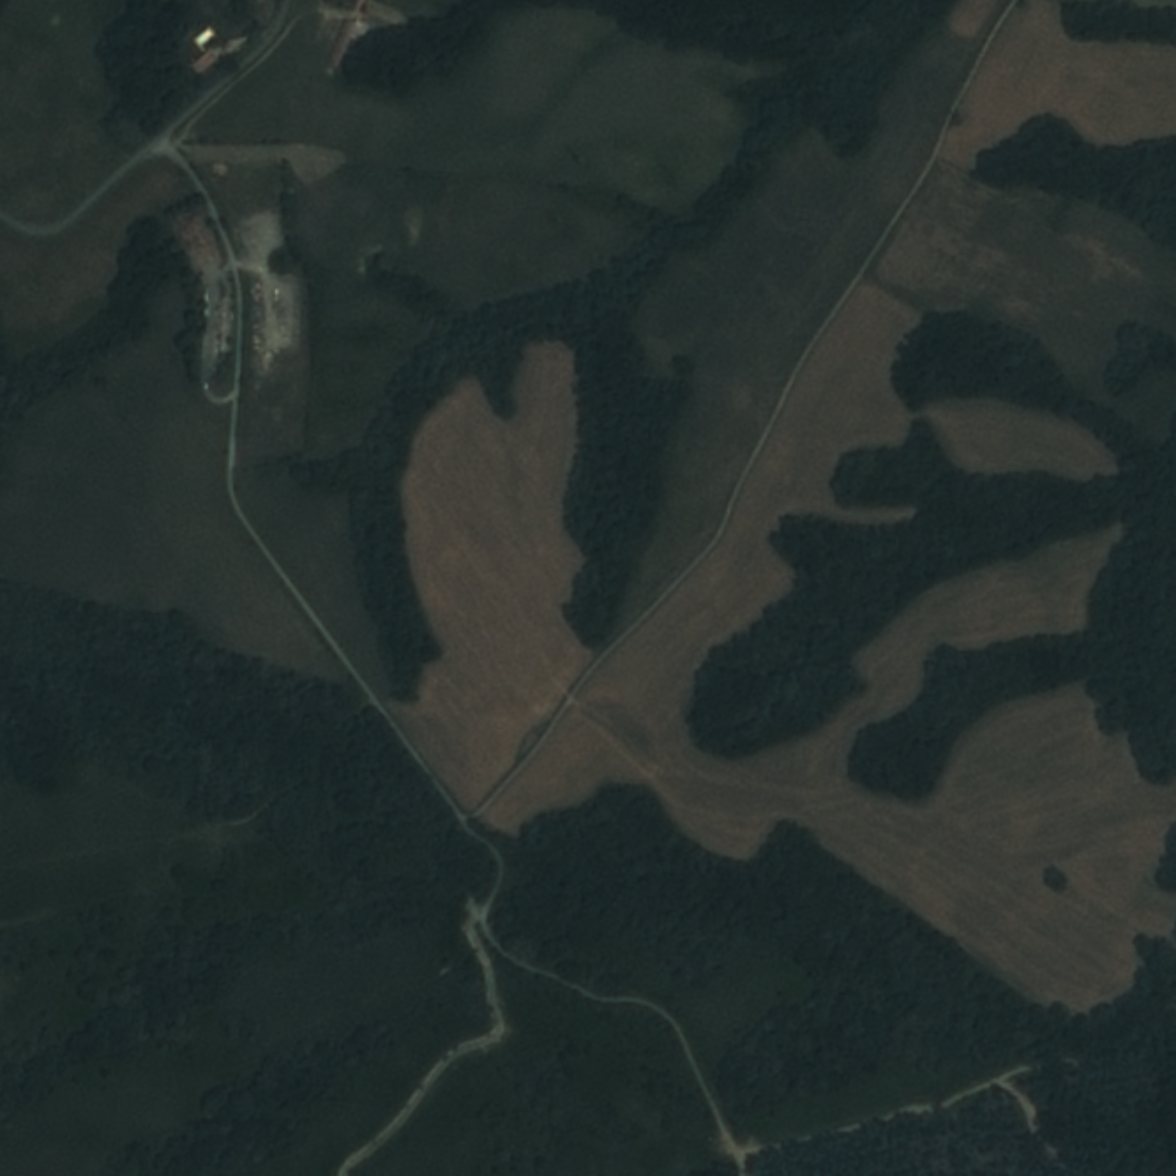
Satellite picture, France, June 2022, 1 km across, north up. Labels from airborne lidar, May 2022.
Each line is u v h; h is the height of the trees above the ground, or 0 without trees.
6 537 0
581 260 0
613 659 0
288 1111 10
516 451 0
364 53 22
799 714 16
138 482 0
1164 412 0
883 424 0
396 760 13
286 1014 0
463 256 0
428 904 9
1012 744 0
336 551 0
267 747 19
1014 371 19
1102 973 0
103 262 0
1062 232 0
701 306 0
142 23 23
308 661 0
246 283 0
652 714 0
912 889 0
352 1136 0
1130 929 0
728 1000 0
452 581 0
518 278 0
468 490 0
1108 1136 12
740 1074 15
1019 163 24
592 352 19
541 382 0
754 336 0
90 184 0
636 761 0
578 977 11
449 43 16
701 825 0
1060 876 15
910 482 14
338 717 15
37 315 0
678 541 0
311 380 0
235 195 0
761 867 14
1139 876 0
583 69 0
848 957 20
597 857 23
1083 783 0
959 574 7
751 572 0
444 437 0
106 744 7
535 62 0
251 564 0
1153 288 0
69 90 0
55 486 0
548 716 0
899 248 0
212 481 0
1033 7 0
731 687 25
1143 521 22
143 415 0
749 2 14
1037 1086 13
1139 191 20
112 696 21
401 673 10
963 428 0
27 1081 9
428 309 11
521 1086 10
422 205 0
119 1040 13
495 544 0
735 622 0
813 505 0
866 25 21
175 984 15
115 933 10
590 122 0
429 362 12
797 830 8
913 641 0
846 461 11
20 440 0
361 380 0
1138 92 0
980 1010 18
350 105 0
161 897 0
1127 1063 18
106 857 0
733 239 0
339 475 10
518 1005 0
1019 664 13
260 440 0
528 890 14
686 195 0
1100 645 13
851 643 7
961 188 0
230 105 0
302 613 0
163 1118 0
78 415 0
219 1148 21
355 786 6
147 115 11
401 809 6
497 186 0
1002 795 0
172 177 0
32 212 0
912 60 0
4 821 0
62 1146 0
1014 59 0
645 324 0
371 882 14
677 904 21
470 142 0
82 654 12
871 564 14
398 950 0
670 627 0
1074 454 0
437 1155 0
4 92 0
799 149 0
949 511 19
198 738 17
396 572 9
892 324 0
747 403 0
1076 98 0
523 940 18
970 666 20
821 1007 14
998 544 10
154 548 0
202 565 0
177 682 18
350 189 0
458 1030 0
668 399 15
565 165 0
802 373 0
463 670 0
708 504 0
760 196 0
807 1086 9
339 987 0
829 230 0
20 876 0
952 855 0
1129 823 0
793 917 21
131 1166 15
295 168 0
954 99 0
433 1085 0
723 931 9
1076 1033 17
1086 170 23
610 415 8
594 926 15
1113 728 12
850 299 0
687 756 0
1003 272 0
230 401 0
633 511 16
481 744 0
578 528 12
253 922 8
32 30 0
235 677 15
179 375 0
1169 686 21
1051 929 0
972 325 17
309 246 0
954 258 0
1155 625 21
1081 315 0
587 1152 0
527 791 0
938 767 11
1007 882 0
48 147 0
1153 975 20
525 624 0
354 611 0
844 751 0
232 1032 9
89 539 0
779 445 0
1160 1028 19
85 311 0
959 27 0
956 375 27
